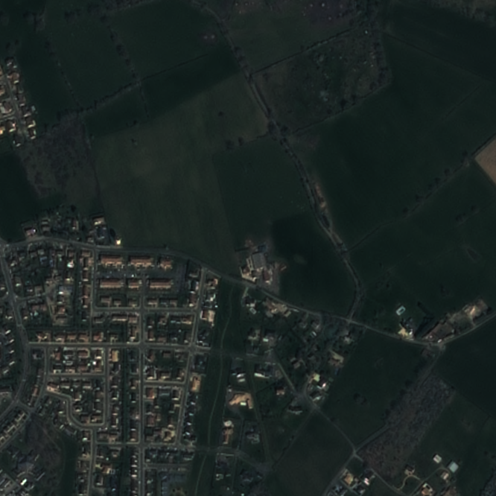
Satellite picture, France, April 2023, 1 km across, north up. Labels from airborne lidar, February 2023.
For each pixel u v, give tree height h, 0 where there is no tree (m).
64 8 0
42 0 0
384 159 0
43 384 0
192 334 0
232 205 0
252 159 0
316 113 0
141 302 0
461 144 0
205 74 0
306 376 10
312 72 0
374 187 0
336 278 0
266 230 0
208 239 0
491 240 0
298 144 0
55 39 0
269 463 0
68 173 0
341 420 0
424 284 0
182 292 9
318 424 0
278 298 0
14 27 0
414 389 21
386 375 0
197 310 0
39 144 0
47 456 17
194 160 0
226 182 0
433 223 0
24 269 5
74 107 0
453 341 0
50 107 0
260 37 0
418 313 0
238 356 0
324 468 0
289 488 0
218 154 0
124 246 0
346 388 0
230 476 0
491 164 0
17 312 0
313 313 0
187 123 0
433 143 0
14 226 0
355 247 0
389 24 0
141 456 0
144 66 0
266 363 0
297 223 0
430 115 0
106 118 0
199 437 0
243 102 0
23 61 0
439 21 0
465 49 0
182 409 0
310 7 0
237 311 0
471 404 0
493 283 0
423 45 0
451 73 0
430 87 0
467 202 0
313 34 0
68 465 0
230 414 0
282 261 0
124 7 18
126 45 0
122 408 6
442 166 0
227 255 0
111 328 6
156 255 0
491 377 0
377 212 0
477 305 0
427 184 0
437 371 0
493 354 0
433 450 0
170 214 0
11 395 0
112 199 0
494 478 7
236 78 0
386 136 0
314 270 0
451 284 0
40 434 14
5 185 0
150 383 0
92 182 0
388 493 0
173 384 0
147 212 0
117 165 0
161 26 0
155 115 0
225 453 0
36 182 0
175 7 0
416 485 0
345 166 0
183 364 0
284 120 0
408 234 0
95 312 0
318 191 0
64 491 0
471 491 0
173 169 0
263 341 0
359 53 0
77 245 0
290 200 0
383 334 7
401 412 19
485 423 0
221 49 0
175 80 0
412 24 0
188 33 0
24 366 0
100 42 0
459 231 0
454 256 0
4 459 0
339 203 0
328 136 0
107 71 0
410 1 0
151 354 0
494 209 0
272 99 0
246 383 0
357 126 0
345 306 0
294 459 0
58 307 0
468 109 0
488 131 0
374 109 0
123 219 0
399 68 0
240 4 0
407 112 0
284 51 0
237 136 0
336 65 0
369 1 9
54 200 0
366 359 0
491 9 0
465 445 0
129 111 0
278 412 0
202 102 0
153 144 0
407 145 0
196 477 0
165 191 0
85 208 0
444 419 0
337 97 0
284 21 0
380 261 0
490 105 0
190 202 0
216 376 0
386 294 0
